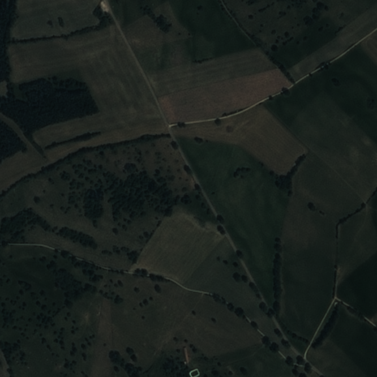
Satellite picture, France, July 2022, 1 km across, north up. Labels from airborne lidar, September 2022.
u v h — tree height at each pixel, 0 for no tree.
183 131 0
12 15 19
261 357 0
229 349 0
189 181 0
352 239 0
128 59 0
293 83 13
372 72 0
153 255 0
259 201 0
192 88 0
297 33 0
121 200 6
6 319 15
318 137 0
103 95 0
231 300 0
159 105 0
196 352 12
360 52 0
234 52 0
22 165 0
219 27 0
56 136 0
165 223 0
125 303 0
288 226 0
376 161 0
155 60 0
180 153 0
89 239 6
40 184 0
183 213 0
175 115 0
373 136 0
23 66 0
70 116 18
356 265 0
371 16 0
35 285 0
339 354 0
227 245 0
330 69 0
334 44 0
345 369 0
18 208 0
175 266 0
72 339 0
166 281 12
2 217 0
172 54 0
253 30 0
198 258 0
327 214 0
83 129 0
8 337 0
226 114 9
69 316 7
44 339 10
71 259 6
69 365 12
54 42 0
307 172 0
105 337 0
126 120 0
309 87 0
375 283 0
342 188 0
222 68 0
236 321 0
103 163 0
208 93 0
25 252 0
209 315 0
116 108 0
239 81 0
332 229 0
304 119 0
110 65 0
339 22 0
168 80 0
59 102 19
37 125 18
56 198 0
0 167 0
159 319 0
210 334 0
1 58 17
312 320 0
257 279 0
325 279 0
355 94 0
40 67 0
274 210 0
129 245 0
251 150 0
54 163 6
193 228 0
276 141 0
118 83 0
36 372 0
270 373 0
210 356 0
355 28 0
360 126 0
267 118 0
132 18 0
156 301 0
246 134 0
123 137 0
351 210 0
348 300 0
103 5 0
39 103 20
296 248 0
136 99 0
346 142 0
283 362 0
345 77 0
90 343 12
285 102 0
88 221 0
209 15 0
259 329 0
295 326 0
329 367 0
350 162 0
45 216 0
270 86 0
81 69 0
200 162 0
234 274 0
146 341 0
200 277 0
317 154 0
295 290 0
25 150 12
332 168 0
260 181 0
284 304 0
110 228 0
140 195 12
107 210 0
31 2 0
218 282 0
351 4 0
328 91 0
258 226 0
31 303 0
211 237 0
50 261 0
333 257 0
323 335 14
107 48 0
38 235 0
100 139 0
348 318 0
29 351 0
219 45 0
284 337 0
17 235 11
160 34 0
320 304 0
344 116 0
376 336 0
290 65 0
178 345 0
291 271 0
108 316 0
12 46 0
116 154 0
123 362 13
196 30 0
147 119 0
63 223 0
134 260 12
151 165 0
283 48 0
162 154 0
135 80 0
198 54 0
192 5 0
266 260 0
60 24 7
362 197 0
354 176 0
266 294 0
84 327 0
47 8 0
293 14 0
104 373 0
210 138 0
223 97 0
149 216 0
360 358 0
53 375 0
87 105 17
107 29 0
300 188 0
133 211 6
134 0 0
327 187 0
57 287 12
